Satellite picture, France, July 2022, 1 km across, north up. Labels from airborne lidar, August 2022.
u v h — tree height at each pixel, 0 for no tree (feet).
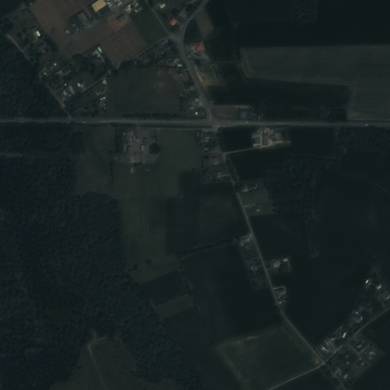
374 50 0
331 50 0
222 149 46
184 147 0
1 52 81
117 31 0
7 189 114
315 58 0
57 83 32
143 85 0
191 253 44
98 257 88
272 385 0
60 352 119
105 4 0
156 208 0
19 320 26
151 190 0
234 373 0
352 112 0
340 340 38
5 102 84
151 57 42
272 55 0
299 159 63
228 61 0
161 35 0
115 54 0
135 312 72
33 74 62
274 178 78
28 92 79
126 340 73
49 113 35
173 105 0
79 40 0
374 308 51
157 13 0
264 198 0
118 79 0
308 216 70
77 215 84
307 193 67
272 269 0
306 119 0
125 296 92
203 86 0
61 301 122
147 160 0
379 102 0
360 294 63
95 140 0
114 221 69
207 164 0
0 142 48
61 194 39
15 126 45
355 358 0
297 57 0
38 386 112
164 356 92
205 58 0
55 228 53
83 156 0
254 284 28
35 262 125
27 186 116
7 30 54
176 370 75
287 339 0
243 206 0
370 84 0
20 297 77
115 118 0
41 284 119
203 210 0
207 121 0
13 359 94
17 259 32
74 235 28
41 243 100
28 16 0
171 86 0
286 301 23
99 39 0
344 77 0
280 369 0
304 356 0
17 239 73
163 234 0
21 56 53
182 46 0
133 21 0
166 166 0
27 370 98
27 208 117
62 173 49
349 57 0
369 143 86
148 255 0
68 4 0
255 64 0
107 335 106
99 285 78
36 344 39
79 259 81
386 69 0
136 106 0
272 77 0
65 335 83
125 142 0
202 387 38
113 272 86
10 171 116
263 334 0
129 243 0
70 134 41
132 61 32
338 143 28
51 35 0
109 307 75
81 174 0
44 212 70
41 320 93
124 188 0
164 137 0
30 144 54
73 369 27
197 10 0
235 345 0
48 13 0
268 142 0
